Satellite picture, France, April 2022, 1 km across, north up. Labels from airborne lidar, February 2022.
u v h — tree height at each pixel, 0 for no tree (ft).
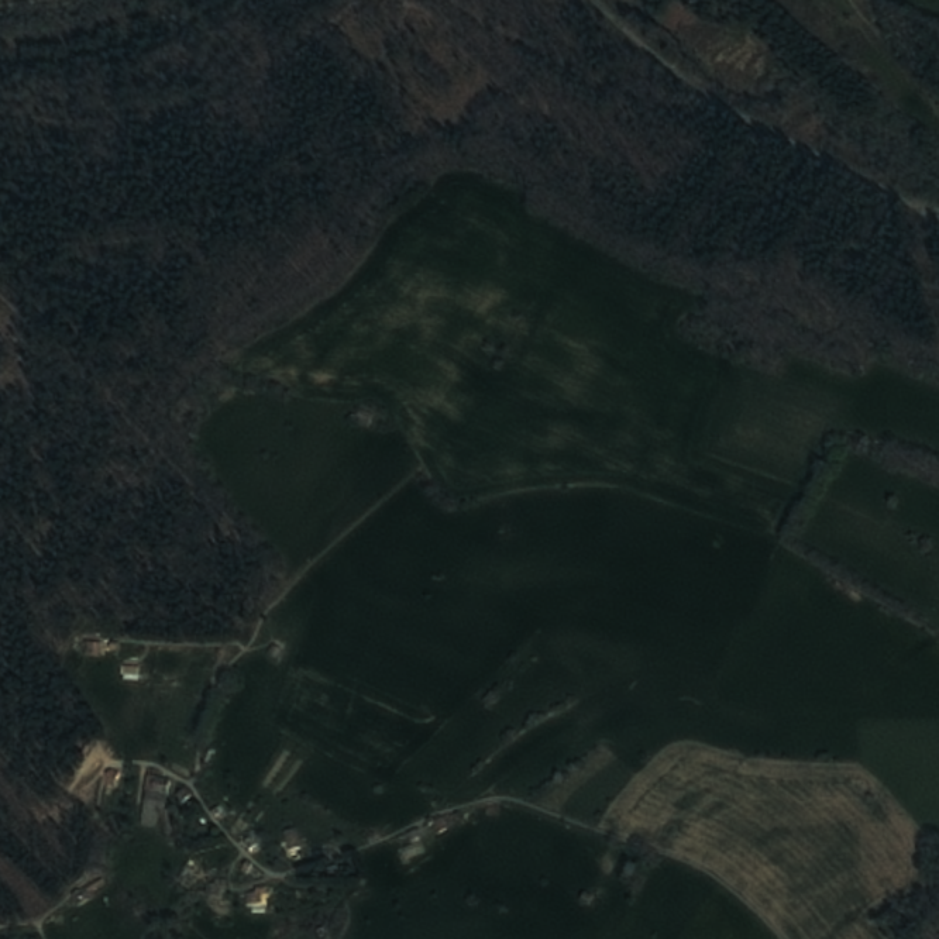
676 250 94
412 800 0
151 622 72
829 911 0
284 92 78
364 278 0
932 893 40
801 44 84
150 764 0
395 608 0
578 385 0
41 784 62
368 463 0
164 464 93
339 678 0
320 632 0
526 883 0
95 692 0
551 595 0
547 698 0
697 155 94
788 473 0
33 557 88
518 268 0
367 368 0
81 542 95
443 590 0
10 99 101
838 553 0
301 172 79
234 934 0
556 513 0
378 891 0
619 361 0
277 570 89
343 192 96
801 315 105
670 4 79
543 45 83
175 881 76
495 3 88
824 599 0
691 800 0
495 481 0
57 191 103
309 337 0
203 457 70
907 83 0
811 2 0
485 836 0
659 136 123
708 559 0
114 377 109
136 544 108
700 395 0
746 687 0
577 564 0
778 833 0
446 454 0
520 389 0
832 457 72
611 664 0
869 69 0
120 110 93
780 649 0
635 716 0
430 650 0
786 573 0
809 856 0
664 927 0
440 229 0
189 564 87
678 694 0
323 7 87
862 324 107
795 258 77
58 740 84
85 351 99
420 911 0
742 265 95
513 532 0
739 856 0
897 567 0
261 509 0
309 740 0
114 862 54
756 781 0
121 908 0
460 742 0
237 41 102
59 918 0
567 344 0
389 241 0
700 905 0
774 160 98
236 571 104
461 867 0
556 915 0
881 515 0
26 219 102
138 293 103
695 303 0
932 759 0
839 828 0
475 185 0
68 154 83
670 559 0
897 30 103
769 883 0
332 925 26
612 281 0
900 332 92
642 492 0
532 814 0
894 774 0
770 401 0
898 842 0
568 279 0
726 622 0
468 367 0
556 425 0
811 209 86
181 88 101
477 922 0
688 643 0
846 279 99
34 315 104
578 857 0
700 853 0
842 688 0
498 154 97
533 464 0
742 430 0
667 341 0
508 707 0
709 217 93
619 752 0
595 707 0
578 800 0
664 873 0
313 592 0
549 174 94
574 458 0
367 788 0
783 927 0
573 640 0
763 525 0
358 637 0
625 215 96
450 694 0
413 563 0
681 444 0
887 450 73
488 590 0
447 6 82
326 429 0
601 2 0
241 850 0
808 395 0
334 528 0
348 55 78
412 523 0
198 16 48
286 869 0
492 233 0
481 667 0
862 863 0
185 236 83
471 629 0
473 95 0
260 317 98
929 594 0
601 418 0
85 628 0
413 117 69
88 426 86
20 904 81
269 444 0
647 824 0
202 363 76
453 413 0
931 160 79
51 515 97
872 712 0
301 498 0
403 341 0
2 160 92
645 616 0
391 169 88
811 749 0
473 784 0
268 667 0
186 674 0
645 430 0
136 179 91
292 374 0
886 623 0
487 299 0
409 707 0
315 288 90
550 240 0
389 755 0
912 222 44
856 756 0
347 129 75
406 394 0
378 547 0
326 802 0
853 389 0
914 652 0
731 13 33
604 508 0
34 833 57
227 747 0
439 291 0
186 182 110
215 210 98
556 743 0
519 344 0
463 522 0
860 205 93
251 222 77
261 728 0
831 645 0
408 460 0
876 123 44
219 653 0
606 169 92
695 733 0
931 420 0
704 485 0
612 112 97
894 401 0
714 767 0
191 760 0
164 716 0
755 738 0
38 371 101
